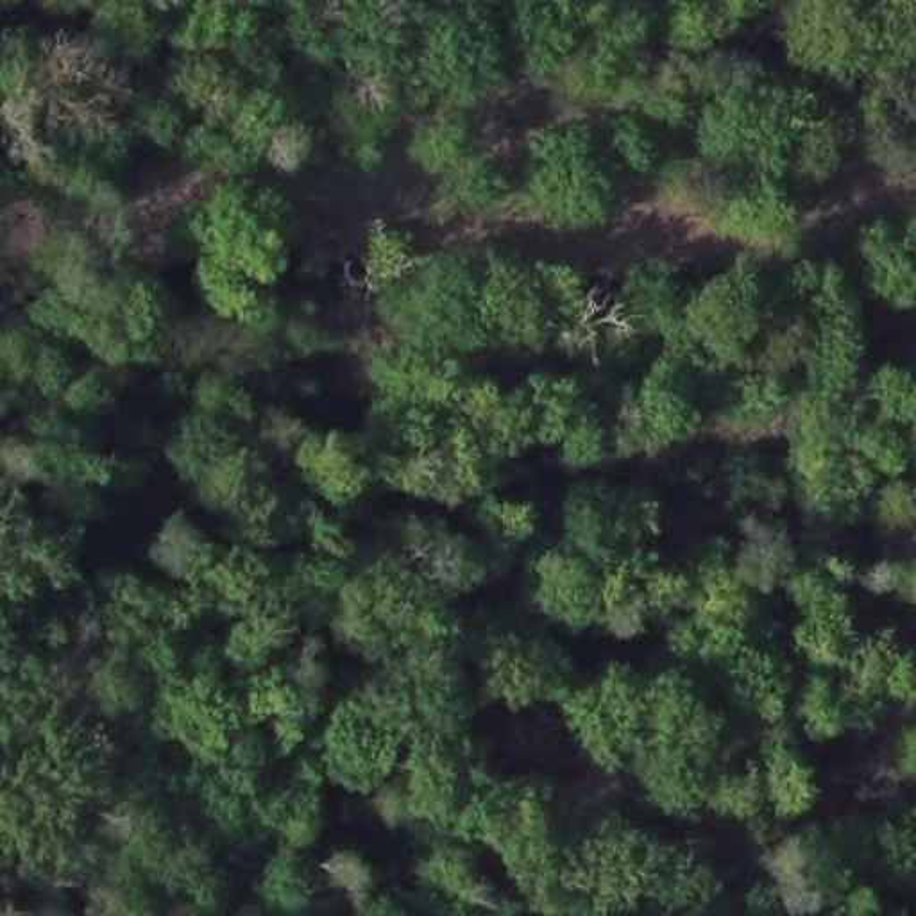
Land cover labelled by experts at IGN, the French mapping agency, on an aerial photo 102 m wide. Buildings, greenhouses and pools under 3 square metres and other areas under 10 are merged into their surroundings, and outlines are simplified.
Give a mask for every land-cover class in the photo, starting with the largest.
<instances>
[{"label":"deciduous trees","instance_id":"1","mask_svg":"<svg viewBox=\"0 0 916 916\"><path fill-rule=\"evenodd\" d=\"M340 140L344 150L365 168L379 165V157L404 154L422 161L426 172L440 175V197L433 200L440 218L469 208L476 215L501 218L530 211L558 229L594 225L605 218L612 204V186L630 168H637L655 186V197L637 200L640 215H691L705 233L730 236L737 243V258L716 279H708L701 268H680L666 258H651L626 272L619 304H601L580 293V283L565 265H515L494 258L479 236L462 240V247L451 254L422 258L408 254L401 236L372 233L369 268L351 286H344L340 265L318 268L308 240L290 236L286 243H279V190L286 186L290 168L308 161L315 147H336ZM877 293L891 304H916V0H0V916H916V379L909 372L884 365L859 340L855 315Z\"/></svg>","mask_w":916,"mask_h":916},{"label":"bare soil","instance_id":"2","mask_svg":"<svg viewBox=\"0 0 916 916\"><path fill-rule=\"evenodd\" d=\"M279 243H286L290 236L308 240L318 268L340 265L344 286H351L369 268L372 233L401 236L408 254L422 258L451 254L462 247V240L479 236L494 258L515 265H565L580 283V293L601 304H619L626 272L651 258H666L680 268H701L708 279H716L737 258V243L730 236L705 233L691 215H640L637 200L655 197V186L637 168H630L612 186V204L605 218L594 225L558 229L530 211L501 218L476 215L469 208L440 218L433 200L440 197V175L426 172L422 161L404 154L379 157V165L365 168L344 150L340 140L336 147H315L308 161L290 168L286 186L279 190ZM859 340L884 365L909 372L916 379V304H891L877 293L855 315Z\"/></svg>","mask_w":916,"mask_h":916}]
</instances>
